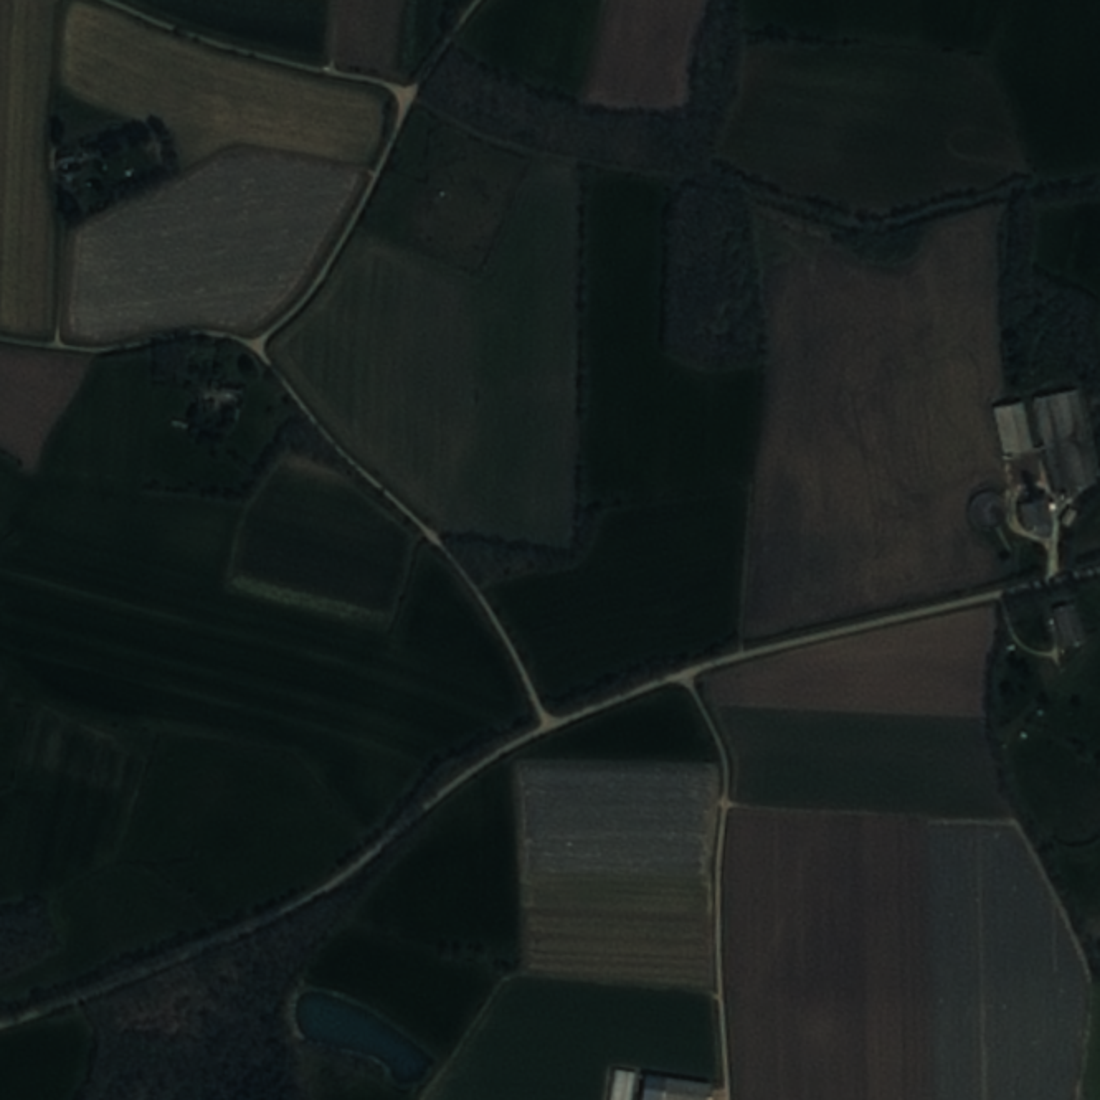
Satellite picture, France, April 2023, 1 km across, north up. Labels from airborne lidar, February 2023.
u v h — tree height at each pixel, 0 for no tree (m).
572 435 0
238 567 0
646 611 0
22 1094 0
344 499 0
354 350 0
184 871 0
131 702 0
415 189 0
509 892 0
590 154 12
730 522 0
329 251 0
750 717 0
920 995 0
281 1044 18
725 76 17
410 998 0
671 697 0
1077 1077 0
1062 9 0
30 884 0
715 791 0
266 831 0
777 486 0
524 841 0
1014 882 0
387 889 0
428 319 0
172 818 0
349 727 0
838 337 0
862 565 0
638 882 0
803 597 0
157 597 0
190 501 0
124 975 16
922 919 0
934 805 0
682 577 0
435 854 0
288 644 0
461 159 0
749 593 0
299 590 0
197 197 0
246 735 0
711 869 0
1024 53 0
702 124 17
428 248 0
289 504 0
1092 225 0
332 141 0
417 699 0
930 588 0
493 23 0
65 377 0
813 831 0
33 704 0
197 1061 12
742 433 0
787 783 0
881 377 0
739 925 0
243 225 0
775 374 0
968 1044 0
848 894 0
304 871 0
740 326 13
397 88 0
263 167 0
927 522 0
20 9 0
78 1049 0
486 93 12
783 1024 0
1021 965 0
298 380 0
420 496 0
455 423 0
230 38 0
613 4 0
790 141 0
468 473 0
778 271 0
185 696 0
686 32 0
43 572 0
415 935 0
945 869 0
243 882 0
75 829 0
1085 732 0
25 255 0
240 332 0
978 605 0
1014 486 0
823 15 0
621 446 0
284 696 0
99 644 0
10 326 0
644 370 0
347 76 0
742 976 0
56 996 11
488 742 10
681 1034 0
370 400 0
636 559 0
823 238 7
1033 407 0
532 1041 0
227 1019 11
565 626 0
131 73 0
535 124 14
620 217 0
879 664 0
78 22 0
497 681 0
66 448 0
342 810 0
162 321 0
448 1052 0
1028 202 14
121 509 0
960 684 0
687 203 16
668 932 0
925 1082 0
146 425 0
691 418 0
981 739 0
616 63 0
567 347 0
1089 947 12
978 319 0
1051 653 0
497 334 0
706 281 17
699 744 0
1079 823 0
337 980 0
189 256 0
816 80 0
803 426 0
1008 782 15
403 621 0
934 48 0
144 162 0
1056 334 13
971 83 0
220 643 0
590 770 0
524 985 0
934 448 0
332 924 11
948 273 0
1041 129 0
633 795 0
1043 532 0
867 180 0
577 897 0
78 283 0
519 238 0
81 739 0
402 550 0
